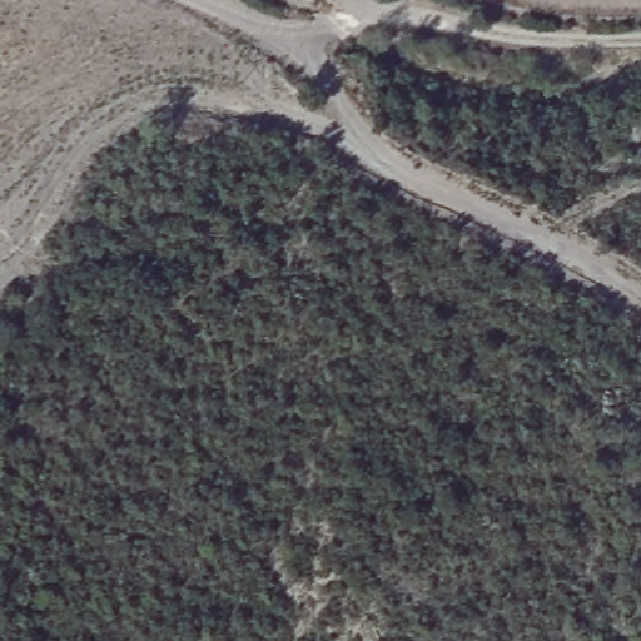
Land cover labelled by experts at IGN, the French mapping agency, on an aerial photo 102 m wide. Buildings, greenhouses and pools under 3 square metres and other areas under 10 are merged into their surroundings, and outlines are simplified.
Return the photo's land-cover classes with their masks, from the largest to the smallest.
<instances>
[{"label":"brushwood","instance_id":"1","mask_svg":"<svg viewBox=\"0 0 641 641\"><path fill-rule=\"evenodd\" d=\"M245 5L280 20H313L321 13H331L328 0H243ZM436 5L458 8L468 13V20L458 23L456 30H436L428 25L378 20L358 30L356 35L346 38L336 48V53L326 58L318 75H308L303 68L290 63L283 70V75L298 88L300 105L318 110L328 100L341 90L361 110V118L373 120L376 133H386L393 143H398L401 153H423L428 160L443 168H456L458 173L478 175L486 183L556 215L576 205L581 198L603 190V185L613 188L623 178H641V48L581 45L548 50L476 40L471 38L473 30H486L496 23L518 25L538 33L576 28V18H561L556 10L541 8L528 13H513L503 8V0H431ZM641 30V15H628L621 20L596 18L593 25L586 30ZM190 88L168 90V105L150 110L130 133L118 135L113 145L100 148L93 155L90 165L80 175L83 188L75 190L73 198V220H58L43 240V245L50 253L48 268L40 275H23L10 280L0 293V641H641V308L628 303L621 293L611 290L608 285H583L578 280H568L563 275V265L553 253L536 250L533 255H526V248L531 245L528 240H516L513 248H501V233L493 225H486L478 233V238L461 235V230L468 225L473 215L456 213L453 218H443L433 213L428 205H421L418 200H408L396 180L373 173L356 155L341 148L343 130L338 123H331L318 135L310 133L308 125L295 123L285 115H243L208 110L190 103ZM601 245L623 253L641 265V193L626 195L623 200L601 210L596 218H586L581 225Z\"/></svg>","mask_w":641,"mask_h":641},{"label":"vineyard","instance_id":"2","mask_svg":"<svg viewBox=\"0 0 641 641\"><path fill-rule=\"evenodd\" d=\"M290 63L280 55H273L268 48H263L255 38L245 35L243 30L230 28L228 23H218L215 18L178 0H0V293L10 280L23 275H40L48 268L50 253L43 245V240L58 220H73V198L75 190L83 188L80 175L90 165L93 155L100 148L113 145L118 135L130 133L150 110L168 105V90L190 88V103L208 110L243 115H285L295 123L308 125L310 133L318 135L331 123H338V110L328 100L318 110L300 105L298 88L283 75V70ZM503 8L513 13H528L541 8L556 10L561 18H576V28L586 30L593 25L596 18L621 20L628 15H641V0H503Z\"/></svg>","mask_w":641,"mask_h":641},{"label":"pervious surface","instance_id":"3","mask_svg":"<svg viewBox=\"0 0 641 641\"><path fill-rule=\"evenodd\" d=\"M215 18L218 23H228L230 28L243 30L245 35L255 38L263 48H268L273 55H280L290 63L303 68L308 75H318L326 58L336 53V48L346 38L356 35L358 30L378 20L428 25L436 30H456L458 23L468 20V13L458 8L436 5L431 0H328L331 13H321L313 20H280L245 5L243 0H178ZM471 38L476 40L548 50L581 45L641 48V30H586L576 28L538 33L518 25L496 23L486 30H473ZM328 100L338 110V123L343 130L341 148L356 155L373 173L396 180L408 200H418L421 205H428L433 213L443 218H453L456 213L473 215L468 225L461 230V235L478 238V233L486 225H493L501 233V248H513L516 240H528L531 245L526 248V255H533L536 250L553 253L563 265V275L568 280H578L583 285H608L611 290L621 293L628 303L641 308V265L623 253L601 245L581 225L586 218H596L601 210L623 200L626 195L641 193V178H623L613 188L603 185V190L581 198L576 205L556 215L486 183L478 175L458 173L456 168H443L428 160L423 153H401L398 143H393L386 133H376L373 120L361 118V110L341 90Z\"/></svg>","mask_w":641,"mask_h":641}]
</instances>
